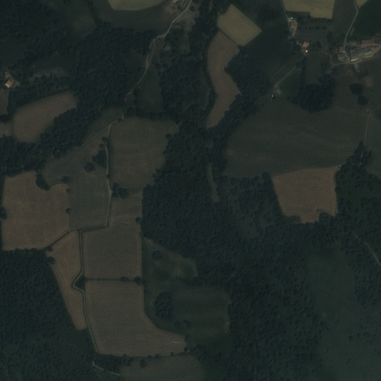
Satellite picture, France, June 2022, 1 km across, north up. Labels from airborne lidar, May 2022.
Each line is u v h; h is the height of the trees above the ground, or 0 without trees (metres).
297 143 0
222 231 20
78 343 0
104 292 0
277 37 0
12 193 0
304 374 8
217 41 0
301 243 16
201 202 17
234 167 0
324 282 0
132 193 0
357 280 9
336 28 0
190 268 0
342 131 0
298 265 12
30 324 15
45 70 0
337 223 20
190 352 15
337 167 0
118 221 0
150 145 0
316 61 0
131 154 0
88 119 16
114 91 16
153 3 0
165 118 22
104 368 10
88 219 0
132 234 0
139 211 0
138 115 20
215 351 0
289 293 9
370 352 0
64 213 0
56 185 0
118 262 0
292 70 0
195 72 22
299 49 19
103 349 0
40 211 0
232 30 0
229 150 0
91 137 0
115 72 18
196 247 21
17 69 11
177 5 0
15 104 20
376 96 0
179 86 19
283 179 0
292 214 0
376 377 0
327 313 0
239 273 16
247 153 0
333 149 0
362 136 0
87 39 14
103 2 0
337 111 0
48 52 11
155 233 23
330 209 0
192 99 19
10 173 19
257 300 16
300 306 10
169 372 0
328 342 0
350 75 0
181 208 18
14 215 0
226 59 0
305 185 0
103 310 0
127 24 0
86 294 0
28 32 0
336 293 0
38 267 16
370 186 15
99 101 15
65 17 0
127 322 0
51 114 0
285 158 0
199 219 23
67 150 19
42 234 0
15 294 15
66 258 0
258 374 19
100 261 0
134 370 0
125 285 0
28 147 10
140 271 0
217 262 15
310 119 0
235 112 21
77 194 0
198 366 0
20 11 29
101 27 15
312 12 0
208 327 0
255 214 12
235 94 0
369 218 10
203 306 0
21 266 14
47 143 18
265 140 0
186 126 15
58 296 13
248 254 24
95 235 0
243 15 0
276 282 0
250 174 0
